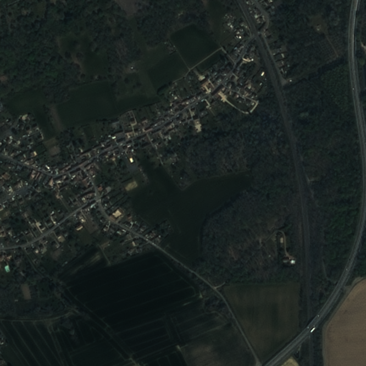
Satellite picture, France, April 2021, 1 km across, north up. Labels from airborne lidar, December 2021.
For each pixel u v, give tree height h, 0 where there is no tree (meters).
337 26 23
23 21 17
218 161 37
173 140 0
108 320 0
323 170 20
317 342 6
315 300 15
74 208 0
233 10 8
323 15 7
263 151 36
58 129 0
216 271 18
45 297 10
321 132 30
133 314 0
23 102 0
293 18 28
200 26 17
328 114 30
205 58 0
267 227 18
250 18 0
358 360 0
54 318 0
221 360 0
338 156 20
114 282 0
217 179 0
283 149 21
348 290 0
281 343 0
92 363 0
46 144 0
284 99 6
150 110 0
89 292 0
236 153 41
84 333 0
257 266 22
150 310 0
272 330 0
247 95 0
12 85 21
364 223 0
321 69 0
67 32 24
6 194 0
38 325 0
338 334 0
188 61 0
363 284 0
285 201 19
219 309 11
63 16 21
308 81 10
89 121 0
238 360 0
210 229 18
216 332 0
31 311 8
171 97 0
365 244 19
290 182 27
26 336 0
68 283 0
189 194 0
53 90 9
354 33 0
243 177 0
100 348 0
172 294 0
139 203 0
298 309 0
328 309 0
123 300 0
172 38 0
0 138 0
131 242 0
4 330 0
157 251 0
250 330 0
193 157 27
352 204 26
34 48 16
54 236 0
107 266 0
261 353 0
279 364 0
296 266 16
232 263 24
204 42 0
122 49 21
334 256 21
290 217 17
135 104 0
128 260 0
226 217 19
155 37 19
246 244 20
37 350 0
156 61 0
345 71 24
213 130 11
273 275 21
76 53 0
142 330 0
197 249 0
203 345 0
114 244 0
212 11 0
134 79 0
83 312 18
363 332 0
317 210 10
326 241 20
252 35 0
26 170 12
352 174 23
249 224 22
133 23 0
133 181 0
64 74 8
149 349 0
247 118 12
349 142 26
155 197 0
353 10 0
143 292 0
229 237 21
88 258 0
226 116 7
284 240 0
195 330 0
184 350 0
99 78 13
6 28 11
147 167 0
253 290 0
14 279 6
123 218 0
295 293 0
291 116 18
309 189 14
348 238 23
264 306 0
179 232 0
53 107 0
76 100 0
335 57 27
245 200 26
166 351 0
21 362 0
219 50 0
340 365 0
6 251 0
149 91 0
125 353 0
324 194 21
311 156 18
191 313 0
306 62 17
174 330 0
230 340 0
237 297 0
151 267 0
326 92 20
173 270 0
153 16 16
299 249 15
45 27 21
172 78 0
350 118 17
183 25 11
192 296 0
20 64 16
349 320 0
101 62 0
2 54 19
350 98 21
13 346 0
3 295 24
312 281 7
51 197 15
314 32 9
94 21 22
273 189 24
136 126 0
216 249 22
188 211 0
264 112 13
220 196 0
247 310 0
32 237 0
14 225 11
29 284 6
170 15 19
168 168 0
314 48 20
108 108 0
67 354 0
